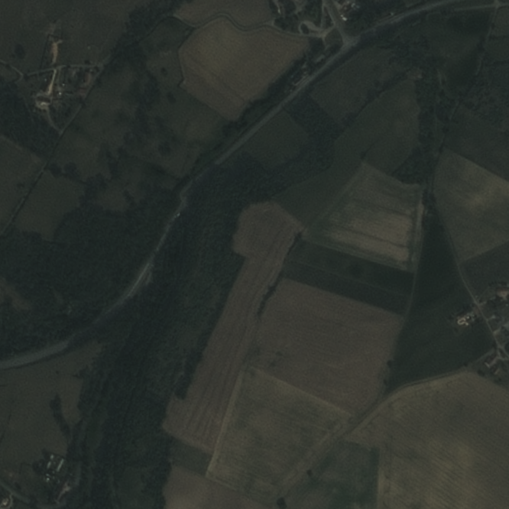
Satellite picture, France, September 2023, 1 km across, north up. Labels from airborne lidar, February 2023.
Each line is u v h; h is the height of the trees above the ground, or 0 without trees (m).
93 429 0
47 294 16
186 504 0
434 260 0
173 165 0
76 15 0
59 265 11
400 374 0
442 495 0
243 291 0
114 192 0
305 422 0
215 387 0
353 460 0
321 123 9
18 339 12
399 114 0
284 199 0
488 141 0
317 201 0
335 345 0
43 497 0
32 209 0
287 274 0
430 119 9
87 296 13
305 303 0
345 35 0
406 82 0
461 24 0
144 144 0
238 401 0
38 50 0
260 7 0
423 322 0
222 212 7
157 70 0
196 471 0
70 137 0
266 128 0
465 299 0
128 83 0
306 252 0
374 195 0
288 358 0
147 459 10
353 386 0
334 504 0
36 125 16
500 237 0
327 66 0
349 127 8
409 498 0
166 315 17
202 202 16
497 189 0
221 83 0
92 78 0
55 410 10
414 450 0
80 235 18
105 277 15
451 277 0
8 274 6
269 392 0
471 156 0
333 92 0
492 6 0
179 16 0
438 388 0
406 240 0
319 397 0
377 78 0
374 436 0
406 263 0
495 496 0
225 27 0
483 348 0
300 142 0
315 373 0
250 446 0
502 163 0
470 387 0
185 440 0
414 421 0
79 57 0
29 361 0
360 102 0
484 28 0
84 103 16
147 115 18
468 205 0
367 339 0
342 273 0
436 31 0
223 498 0
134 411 17
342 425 0
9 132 16
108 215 14
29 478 0
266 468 0
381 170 0
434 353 0
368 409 0
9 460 0
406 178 9
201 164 0
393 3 22
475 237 0
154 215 23
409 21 9
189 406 0
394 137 0
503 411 0
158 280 6
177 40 0
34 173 0
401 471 0
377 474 0
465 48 0
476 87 6
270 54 0
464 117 0
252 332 0
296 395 0
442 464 0
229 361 0
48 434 0
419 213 0
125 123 0
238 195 16
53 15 0
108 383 12
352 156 0
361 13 7
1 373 0
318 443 0
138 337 22
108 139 0
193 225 21
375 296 0
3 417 0
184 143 0
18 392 0
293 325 0
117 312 13
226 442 0
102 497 17
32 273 11
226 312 0
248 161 16
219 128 0
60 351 0
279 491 0
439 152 8
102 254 21
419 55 15
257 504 0
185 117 0
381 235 0
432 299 0
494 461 0
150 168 0
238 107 0
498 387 0
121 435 16
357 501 0
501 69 6
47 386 0
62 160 0
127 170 0
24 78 9
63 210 0
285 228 0
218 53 0
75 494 16
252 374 0
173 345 13
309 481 0
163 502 11
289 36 0
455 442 0
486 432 0
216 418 0
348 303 0
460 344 0
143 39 0
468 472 0
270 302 0
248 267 0
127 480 0
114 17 0
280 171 8
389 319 0
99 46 0
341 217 0
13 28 0
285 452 0
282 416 0
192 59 0
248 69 0
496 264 0
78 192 0
